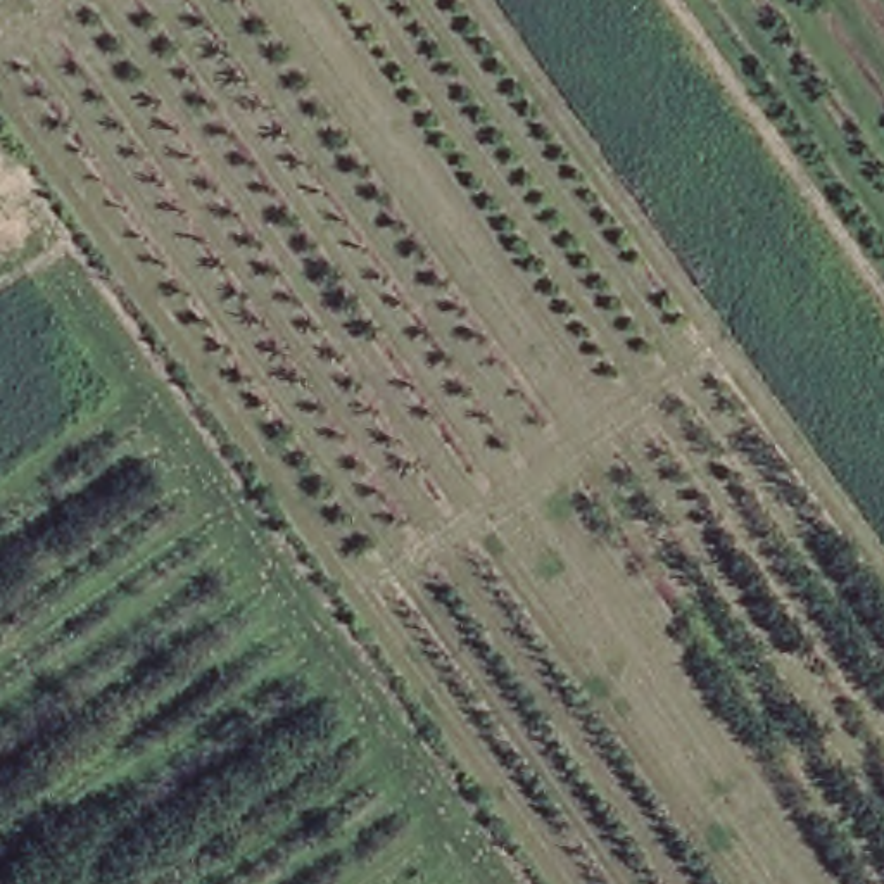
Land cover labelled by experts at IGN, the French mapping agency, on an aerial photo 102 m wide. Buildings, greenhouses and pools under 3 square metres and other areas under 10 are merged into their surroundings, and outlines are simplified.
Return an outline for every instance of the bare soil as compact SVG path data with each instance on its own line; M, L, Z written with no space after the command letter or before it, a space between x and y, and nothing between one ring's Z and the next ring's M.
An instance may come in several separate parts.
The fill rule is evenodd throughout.
M14 159L0 152L0 197L28 193L35 183L28 169L21 169Z
M28 224L24 218L0 218L0 252L24 245Z
M142 332L124 314L117 294L107 290L107 280L97 266L86 269L90 287L111 307L124 335L138 342L148 373L166 373L162 359L152 356L148 342L142 342Z

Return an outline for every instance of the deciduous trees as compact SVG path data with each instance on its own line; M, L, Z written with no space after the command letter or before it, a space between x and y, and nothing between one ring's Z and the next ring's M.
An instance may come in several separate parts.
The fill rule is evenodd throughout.
M418 704L407 698L404 680L394 677L387 680L387 687L397 698L397 708L414 725L418 739L428 739L432 722L418 715Z
M701 521L701 539L718 570L725 573L725 580L739 590L739 601L749 611L749 618L770 635L774 649L801 656L808 673L825 673L825 660L815 660L808 653L808 639L767 594L760 573L749 566L742 553L732 549L732 539L718 528L718 518L711 515L708 521Z
M521 642L528 660L539 666L542 687L559 698L570 718L580 722L587 742L618 777L622 791L642 811L666 856L677 863L684 877L680 884L711 884L701 853L684 846L680 836L666 825L649 791L632 774L625 753L611 742L611 732L594 722L584 701L573 698L573 687L566 687L563 673L546 656L546 646L535 642L535 635L521 625L521 611L515 608L515 601L497 587L497 577L483 573L483 594L504 615L508 635Z
M763 439L756 442L749 463L760 470L770 494L794 511L798 532L805 535L805 546L818 559L818 566L791 566L794 553L780 542L780 532L760 515L760 504L749 490L732 501L749 539L756 539L760 553L770 559L774 577L780 577L791 587L791 597L798 597L805 604L805 615L822 628L825 646L832 649L843 673L860 691L867 691L877 711L884 711L884 584L870 566L856 563L856 546L849 539L836 535L818 521L815 504L791 480L791 470L784 466L784 459L774 456L774 449Z
M456 698L459 711L477 729L480 742L508 770L528 808L546 822L546 829L566 832L546 791L539 791L539 784L525 774L521 760L497 739L490 718L477 708L473 694L463 687L456 670L445 663L445 656L435 649L435 642L411 615L401 625L411 632L411 642L418 642L421 660L428 660L445 691Z
M35 556L7 559L0 566L0 615L14 611L14 628L24 628L48 601L69 594L79 584L79 570L66 566L52 580L38 584L38 590L28 601L14 608L10 590L28 577Z
M345 884L338 877L338 853L325 853L314 863L300 867L300 874L290 884Z
M515 684L501 656L483 642L480 625L463 611L463 601L449 590L439 604L452 618L459 642L480 660L483 673L494 680L501 698L515 708L528 739L539 742L542 756L553 763L566 791L580 801L590 825L608 843L611 856L628 867L625 884L656 884L642 856L632 853L632 839L622 836L618 822L601 808L597 794L570 767L566 753L549 732L549 722L535 711L528 694L521 694L521 684Z
M86 611L66 618L59 632L24 649L24 660L48 656L55 646L107 618L111 608L121 604L128 594L138 594L148 577L162 577L169 566L200 553L193 539L180 539L145 570L131 573L104 597L97 597Z
M373 798L373 791L349 787L335 805L300 815L294 829L287 829L262 856L245 860L224 884L266 884L262 874L273 863L280 863L294 846L325 836L325 829L332 832L352 808Z
M352 843L359 860L366 860L390 836L401 832L394 815L380 815L359 829Z
M145 466L128 483L128 490L114 494L104 508L76 511L62 490L62 480L76 473L79 459L90 463L93 456L114 445L114 432L97 432L76 445L66 445L48 470L38 473L45 504L59 497L66 525L41 539L38 553L69 553L76 542L90 539L90 528L111 525L117 515L135 508L142 511L138 521L124 525L114 539L107 539L97 553L86 556L93 570L100 570L114 563L121 553L131 553L138 535L162 521L162 494L155 473Z
M780 93L767 83L763 69L756 69L746 79L749 97L767 114L774 104L780 104Z
M107 784L97 794L86 794L83 801L52 801L31 811L31 818L41 829L41 843L24 863L14 867L17 884L166 884L180 863L197 856L197 849L218 860L231 853L245 836L252 836L252 829L262 825L269 815L287 811L297 791L325 791L332 780L342 777L345 763L359 753L356 739L345 739L332 756L314 756L307 749L307 739L328 739L338 718L325 708L325 698L300 704L300 684L276 677L256 687L256 704L276 698L280 715L266 725L256 725L245 711L214 715L214 722L204 725L200 736L235 736L238 746L214 756L186 756L193 763L190 770L173 763L169 794L159 794L162 777L138 774L121 784Z
M169 383L183 387L190 383L186 373L173 363L169 349L152 332L142 332L142 342L148 342L152 356L162 359L166 373Z
M656 504L653 504L653 501L649 501L649 497L646 497L646 494L632 494L632 497L628 497L628 511L632 511L632 518L639 518L639 521L649 521L649 525L663 525L663 511L656 508Z
M708 466L736 452L732 439L715 442L708 432L701 432L691 452L701 452Z
M798 124L791 111L784 111L777 124L791 152L808 169L822 159L822 148L811 142L811 135Z
M200 604L218 590L214 573L197 573L169 601L138 615L117 635L97 642L76 663L55 670L62 684L59 694L38 694L35 687L28 687L24 694L17 694L10 708L21 715L7 729L0 729L0 753L14 749L17 739L28 739L41 715L62 715L62 725L69 729L66 739L55 739L52 746L35 753L35 760L17 777L14 791L0 794L0 839L28 818L17 798L48 787L55 767L93 756L104 746L100 725L111 722L107 708L124 708L128 698L159 687L176 670L193 677L193 684L183 694L166 701L155 715L138 718L131 732L117 742L117 749L135 753L145 749L148 739L166 736L214 691L228 691L231 684L238 684L256 663L269 656L256 642L231 663L211 666L204 653L221 642L221 635L211 622L176 632L169 642L159 642L152 625L159 618L176 618L186 604ZM138 663L128 670L124 680L100 687L83 701L83 708L76 708L69 684L107 666L117 653L131 653Z
M684 628L684 635L677 639L684 653L698 646L704 677L732 708L736 722L753 732L753 753L767 749L770 756L784 756L774 742L777 725L798 749L815 746L815 753L805 756L805 770L815 784L836 777L839 791L846 794L846 805L839 811L843 818L853 818L853 829L846 825L832 832L829 818L811 818L853 884L884 884L884 749L881 739L867 725L860 725L856 742L863 746L863 767L870 777L870 791L860 794L849 774L839 763L825 760L825 736L801 701L794 701L780 722L767 718L767 708L777 701L791 701L791 694L784 691L777 670L763 663L756 642L746 632L739 632L739 625L729 618L711 584L698 590L704 622L715 628L722 649L732 653L736 666L749 673L763 708L749 711L749 704L739 698L739 684L722 673L722 666L704 653L691 628Z

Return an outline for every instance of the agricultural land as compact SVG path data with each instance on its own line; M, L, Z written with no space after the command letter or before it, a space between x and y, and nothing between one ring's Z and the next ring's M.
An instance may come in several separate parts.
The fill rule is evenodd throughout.
M860 515L884 542L884 314L863 287L863 280L846 262L846 256L839 252L839 245L822 228L822 221L805 207L791 180L770 159L760 135L729 104L722 83L701 66L698 45L684 38L684 31L660 0L494 0L504 21L518 31L521 45L542 66L556 93L566 100L570 114L601 145L601 155L608 159L622 186L635 197L639 211L656 224L691 287L698 287L701 297L715 307L732 342L742 349L742 356L763 376L770 394L784 404L791 421L811 442L815 456L829 466L836 483L849 494L849 501L860 508Z
M62 432L66 421L73 421L79 411L97 411L104 401L104 387L114 387L114 380L100 356L86 363L76 345L66 345L66 328L52 325L52 307L31 280L17 280L7 290L0 290L0 473L7 473L24 452L35 452L45 442L45 435Z

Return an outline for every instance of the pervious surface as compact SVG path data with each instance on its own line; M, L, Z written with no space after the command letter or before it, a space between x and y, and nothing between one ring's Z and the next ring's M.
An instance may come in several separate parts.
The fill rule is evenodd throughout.
M822 228L839 245L839 252L846 256L846 262L863 280L863 287L884 314L884 242L874 235L860 249L860 242L839 221L839 214L832 211L832 204L825 200L808 169L791 152L777 124L767 114L749 97L746 79L736 66L725 62L718 45L708 38L708 31L684 0L660 0L684 31L684 38L698 45L701 66L722 83L729 104L760 135L770 159L791 180L805 207L822 221Z

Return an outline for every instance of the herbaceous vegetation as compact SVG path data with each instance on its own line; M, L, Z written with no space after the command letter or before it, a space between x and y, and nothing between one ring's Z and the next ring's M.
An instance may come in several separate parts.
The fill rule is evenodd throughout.
M14 749L0 753L0 794L14 791L17 777L35 760L35 753L52 746L55 739L66 739L69 729L62 725L62 715L41 715L28 739L17 739Z
M767 114L777 124L784 111L791 111L798 124L811 135L811 142L822 148L822 159L808 169L825 200L832 204L832 211L839 214L839 221L860 242L860 249L874 235L884 242L884 0L684 0L708 31L708 38L718 45L725 62L736 66L746 79L756 69L763 69L767 83L780 93L780 104L774 104Z
M76 708L83 708L83 701L100 687L124 680L128 670L138 663L131 653L117 653L107 666L69 684Z
M338 718L328 739L307 739L307 749L314 756L332 756L345 739L356 739L359 753L345 763L342 777L332 780L325 791L297 791L287 811L269 815L262 825L252 829L252 836L245 836L231 853L218 860L197 849L197 856L180 863L166 884L224 884L245 860L262 856L287 829L294 829L300 815L335 805L349 787L373 791L373 798L352 808L332 832L325 829L325 836L294 846L280 863L273 863L262 874L266 884L290 884L300 874L300 867L314 863L325 853L338 853L338 877L345 884L625 884L628 867L611 856L608 843L590 825L580 801L566 791L553 763L542 756L539 742L528 739L515 708L501 698L494 680L483 673L480 660L459 642L452 618L439 604L449 590L463 601L463 611L480 625L483 642L501 656L515 684L521 684L521 694L528 694L535 711L549 722L549 732L566 753L570 767L597 794L601 808L618 822L622 836L632 839L632 853L642 856L656 884L680 884L684 877L677 863L666 856L642 811L622 791L618 777L587 742L580 722L570 718L559 698L542 687L539 666L528 660L521 642L508 635L504 615L483 594L483 573L497 577L497 587L515 601L515 608L521 611L521 625L535 635L535 642L546 646L546 656L563 673L566 687L573 687L573 698L584 701L594 722L611 732L611 742L625 753L632 774L649 791L666 825L680 836L684 846L701 853L711 884L853 884L811 818L829 818L832 832L846 825L853 829L853 818L843 818L839 811L846 805L846 794L839 791L836 777L815 784L805 770L805 756L815 753L815 746L798 749L777 725L774 742L784 756L770 756L767 749L753 753L753 732L736 722L732 708L704 677L698 646L684 653L677 639L684 635L684 628L691 628L704 653L722 666L722 673L739 684L739 698L749 704L749 711L763 708L749 673L736 666L732 653L722 649L715 628L704 622L698 590L711 584L729 618L739 625L739 632L746 632L756 642L763 663L777 670L784 691L791 694L791 701L777 701L767 708L767 718L780 722L794 701L801 701L825 736L825 760L839 763L849 774L860 794L870 791L870 777L863 767L863 746L856 742L860 725L867 725L881 739L884 749L884 711L877 711L867 691L860 691L843 673L832 649L825 646L822 628L805 615L805 604L798 597L791 597L791 587L780 577L774 577L770 559L760 553L756 539L749 539L732 501L749 490L760 504L760 515L780 532L780 542L794 553L791 566L818 566L818 559L805 546L805 535L798 532L794 511L770 494L760 470L749 463L756 442L763 439L774 449L774 456L784 459L784 466L791 470L791 480L815 504L818 521L836 535L849 539L856 546L856 563L870 566L884 584L884 542L860 515L860 508L849 501L849 494L836 483L829 466L815 456L811 442L791 421L784 404L770 394L763 376L742 356L742 349L732 342L715 307L701 297L698 287L691 287L656 224L639 211L635 197L622 186L608 159L601 155L601 145L570 114L566 100L556 93L542 66L521 45L518 31L504 21L494 0L0 0L0 152L14 159L21 169L28 169L35 183L28 193L0 197L0 218L24 218L28 224L24 245L0 252L0 290L7 290L17 280L31 280L52 307L52 325L66 328L66 345L76 345L86 363L100 356L114 380L114 387L104 387L104 401L97 411L79 411L73 421L66 421L62 432L45 435L45 442L35 452L24 452L7 473L0 473L0 566L7 559L35 556L28 577L10 590L14 608L28 601L38 590L38 584L52 580L66 566L79 570L79 584L69 594L48 601L24 628L14 628L14 611L0 615L0 729L7 729L21 715L10 708L17 694L24 694L28 687L35 687L38 694L59 694L62 684L55 670L76 663L97 642L117 635L138 615L169 601L197 573L214 573L218 590L200 604L186 604L176 618L159 618L152 625L159 642L169 642L176 632L211 622L221 635L221 642L204 653L211 666L231 663L256 642L269 656L256 663L238 684L231 684L228 691L214 691L166 736L148 739L145 749L135 753L117 749L117 742L131 732L138 718L155 715L166 701L183 694L193 684L193 677L176 670L159 687L128 698L124 708L107 708L111 722L100 725L104 746L93 756L55 767L48 787L17 798L28 818L0 839L0 884L17 884L14 867L24 863L41 843L41 829L31 818L31 811L52 801L83 801L86 794L97 794L107 784L121 784L138 774L162 777L159 794L169 794L173 763L190 770L193 763L186 756L214 756L238 746L235 736L200 736L204 725L214 722L214 715L245 711L256 725L266 725L280 715L276 698L256 704L256 687L276 677L300 684L300 704L325 698L325 708ZM190 383L183 387L169 383L166 373L148 373L138 342L124 335L111 307L90 287L86 269L97 266L107 280L107 290L117 294L124 314L142 332L152 332L169 349L173 363L186 373ZM121 553L114 563L100 570L93 570L86 556L97 553L107 539L114 539L124 525L138 521L142 511L135 508L117 515L111 525L90 528L90 539L76 542L69 553L38 553L41 539L66 525L59 497L45 504L38 473L48 470L66 445L76 445L97 432L114 432L114 445L93 456L90 463L79 459L76 473L62 480L62 490L76 511L104 508L114 494L128 490L128 483L145 466L155 473L162 494L162 521L138 535L131 553ZM701 452L691 452L701 432L708 432L715 442L732 439L736 452L708 466ZM649 501L653 501L653 504L656 504L656 508L663 511L663 525L649 525L649 521L639 521L639 518L632 518L632 511L628 511L628 497L632 497L632 494L646 494L646 497L649 497ZM725 573L718 570L701 539L701 521L708 521L711 515L718 518L718 528L732 539L732 549L742 553L749 566L760 573L767 594L808 639L808 653L815 660L825 660L825 673L808 673L801 656L774 649L770 635L749 618L749 611L739 601L739 590L725 580ZM121 604L111 608L107 618L55 646L48 656L24 660L24 649L59 632L66 618L86 611L97 597L104 597L131 573L145 570L180 539L193 539L200 553L169 566L162 577L148 577L138 594L128 594ZM411 642L411 632L401 625L411 615L435 642L435 649L445 656L445 663L456 670L463 687L473 694L477 708L490 718L497 739L521 760L525 774L539 784L539 791L546 791L566 832L546 829L546 822L528 808L508 770L480 742L477 729L459 711L456 698L445 691L428 660L421 660L418 642ZM404 680L407 698L418 704L418 715L432 722L428 739L418 739L414 725L397 708L397 698L387 687L387 680L394 677ZM390 836L366 860L359 860L352 843L359 829L380 815L394 815L401 832Z

